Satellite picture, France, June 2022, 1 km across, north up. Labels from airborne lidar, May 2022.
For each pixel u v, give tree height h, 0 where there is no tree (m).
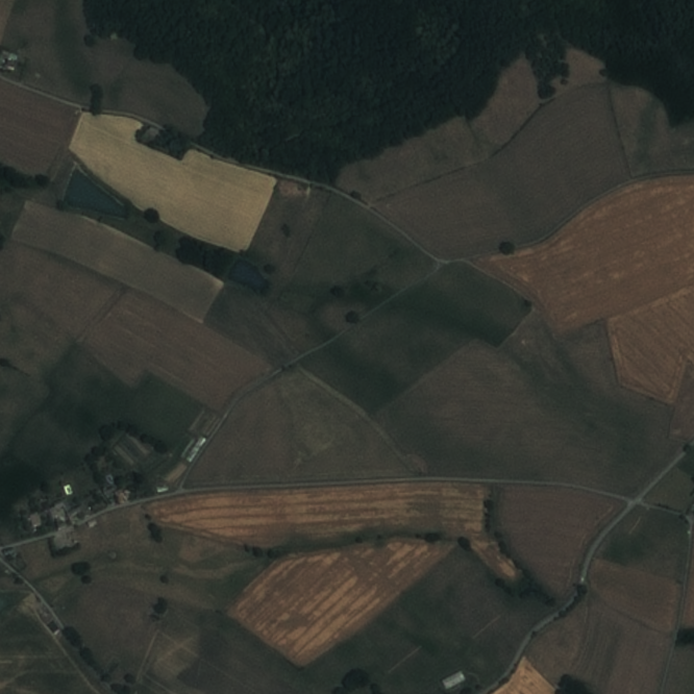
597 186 0
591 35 14
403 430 0
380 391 0
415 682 0
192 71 12
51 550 7
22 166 0
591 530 0
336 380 0
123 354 0
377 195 0
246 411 0
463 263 0
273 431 0
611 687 0
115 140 0
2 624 0
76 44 0
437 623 0
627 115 0
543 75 9
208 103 11
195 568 0
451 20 9
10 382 0
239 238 0
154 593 0
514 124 0
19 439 0
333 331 0
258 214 0
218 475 0
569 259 0
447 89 15
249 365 0
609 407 0
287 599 0
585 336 0
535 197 0
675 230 0
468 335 0
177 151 19
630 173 0
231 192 0
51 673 0
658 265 0
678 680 0
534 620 0
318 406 0
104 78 0
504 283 0
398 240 0
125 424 13
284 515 0
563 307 0
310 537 0
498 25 14
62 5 0
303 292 0
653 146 0
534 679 0
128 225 0
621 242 0
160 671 0
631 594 0
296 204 0
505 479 0
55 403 0
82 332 0
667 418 0
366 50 29
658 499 0
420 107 14
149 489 0
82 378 0
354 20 32
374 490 0
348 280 0
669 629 0
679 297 0
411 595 0
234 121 15
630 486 0
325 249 0
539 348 0
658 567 0
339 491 0
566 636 0
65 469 0
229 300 0
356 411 0
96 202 0
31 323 0
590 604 0
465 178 0
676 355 0
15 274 0
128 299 0
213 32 19
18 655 0
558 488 0
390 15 29
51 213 0
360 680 21
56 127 0
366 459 0
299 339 0
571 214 0
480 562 0
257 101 22
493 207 0
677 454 0
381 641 0
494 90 12
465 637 0
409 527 0
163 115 0
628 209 0
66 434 0
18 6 0
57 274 0
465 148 0
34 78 0
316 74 23
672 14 16
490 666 0
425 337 0
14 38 0
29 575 0
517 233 0
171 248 0
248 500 0
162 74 0
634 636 0
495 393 0
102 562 0
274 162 10
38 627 0
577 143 0
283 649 0
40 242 0
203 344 0
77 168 0
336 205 0
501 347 0
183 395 0
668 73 7
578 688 14
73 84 0
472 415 0
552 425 0
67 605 0
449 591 0
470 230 0
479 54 19
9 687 0
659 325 0
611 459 0
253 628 0
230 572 0
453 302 0
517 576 0
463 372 0
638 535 0
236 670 0
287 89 25
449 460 0
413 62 15
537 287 0
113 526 0
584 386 0
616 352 0
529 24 13
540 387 0
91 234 0
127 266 0
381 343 0
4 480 0
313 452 0
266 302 0
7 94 0
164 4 14
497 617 0
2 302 0
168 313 0
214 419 0
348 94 18
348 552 0
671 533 0
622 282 0
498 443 0
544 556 0
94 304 0
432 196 0
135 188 0
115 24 17
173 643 0
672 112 7
